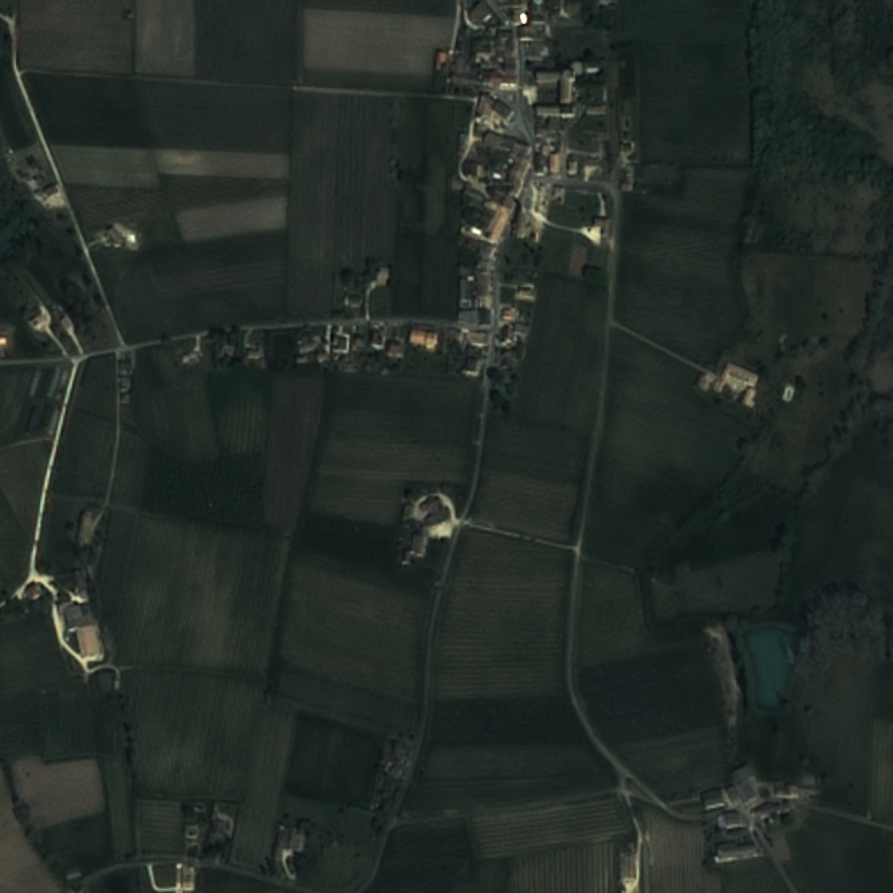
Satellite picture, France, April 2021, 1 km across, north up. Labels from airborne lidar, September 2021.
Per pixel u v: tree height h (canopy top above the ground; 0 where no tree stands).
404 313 0
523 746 0
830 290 0
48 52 0
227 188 0
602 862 0
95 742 0
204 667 0
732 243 0
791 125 24
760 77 16
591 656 0
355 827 0
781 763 0
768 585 0
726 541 0
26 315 8
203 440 0
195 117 0
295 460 0
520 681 0
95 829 0
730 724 0
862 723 0
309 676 0
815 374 0
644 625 0
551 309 0
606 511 0
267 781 0
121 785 0
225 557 0
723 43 0
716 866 0
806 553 0
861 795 0
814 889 0
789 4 6
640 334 0
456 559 0
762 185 9
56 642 0
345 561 0
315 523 0
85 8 0
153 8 0
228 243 0
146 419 0
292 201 0
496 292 0
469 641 0
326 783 0
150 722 0
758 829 9
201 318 0
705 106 0
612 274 0
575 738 0
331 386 0
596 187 0
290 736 0
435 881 0
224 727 0
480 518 0
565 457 0
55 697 0
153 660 0
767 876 0
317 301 0
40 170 5
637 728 0
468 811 0
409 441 0
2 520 0
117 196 0
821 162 22
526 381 0
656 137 0
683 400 0
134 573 0
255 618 0
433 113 0
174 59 0
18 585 0
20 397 0
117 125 0
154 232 0
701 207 0
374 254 0
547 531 0
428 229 0
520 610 0
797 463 0
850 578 0
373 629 0
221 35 0
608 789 0
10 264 18
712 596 0
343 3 0
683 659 0
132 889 0
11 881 0
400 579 0
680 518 0
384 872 0
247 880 0
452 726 0
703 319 0
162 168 0
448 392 0
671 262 0
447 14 0
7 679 0
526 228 0
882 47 6
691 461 0
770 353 0
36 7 0
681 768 0
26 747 0
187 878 0
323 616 0
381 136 0
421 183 0
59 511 0
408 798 0
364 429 0
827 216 0
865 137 8
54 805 0
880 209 6
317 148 0
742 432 0
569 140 0
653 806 0
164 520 0
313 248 0
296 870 6
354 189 0
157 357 0
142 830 0
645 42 0
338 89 0
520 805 0
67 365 0
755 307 0
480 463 0
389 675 0
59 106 0
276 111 0
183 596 0
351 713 0
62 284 0
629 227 0
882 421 9
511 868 0
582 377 0
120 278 0
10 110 0
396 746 7
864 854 0
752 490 6
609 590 0
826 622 25
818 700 0
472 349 7
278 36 0
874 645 23
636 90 0
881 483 0
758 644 0
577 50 0
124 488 0
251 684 0
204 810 0
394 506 0
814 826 0
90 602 10
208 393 0
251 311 0
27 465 0
